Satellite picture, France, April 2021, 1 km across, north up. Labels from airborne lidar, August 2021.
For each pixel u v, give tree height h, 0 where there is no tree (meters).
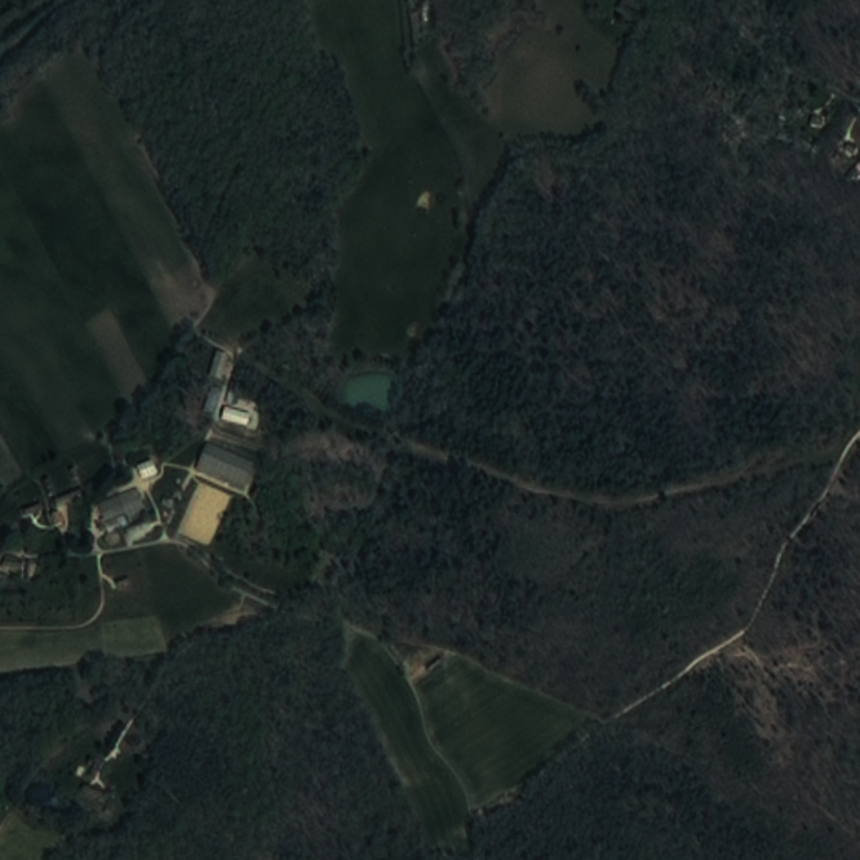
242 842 25
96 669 24
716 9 19
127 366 0
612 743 17
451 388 16
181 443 20
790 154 17
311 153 23
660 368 19
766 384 12
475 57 11
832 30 14
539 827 23
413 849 23
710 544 11
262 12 20
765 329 14
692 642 11
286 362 19
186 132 23
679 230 12
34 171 0
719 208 14
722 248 11
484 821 19
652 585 10
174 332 0
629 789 21
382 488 14
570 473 25
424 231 0
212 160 20
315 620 21
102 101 0
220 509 0
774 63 19
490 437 18
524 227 21
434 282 0
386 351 0
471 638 10
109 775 12
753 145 23
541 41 0
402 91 0
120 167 0
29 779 19
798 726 24
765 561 9
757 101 18
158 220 0
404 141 0
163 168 13
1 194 0
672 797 13
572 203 19
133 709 22
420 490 11
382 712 0
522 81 0
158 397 22
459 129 0
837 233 21
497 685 0
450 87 18
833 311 18
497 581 10
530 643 11
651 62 20
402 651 0
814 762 20
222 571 19
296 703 22
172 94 19
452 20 16
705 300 11
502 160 0
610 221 20
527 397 9
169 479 0
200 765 23
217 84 18
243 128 22
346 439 0
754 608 11
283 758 20
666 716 7
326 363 10
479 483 15
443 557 11
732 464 23
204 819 19
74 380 0
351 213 0
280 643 20
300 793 19
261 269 0
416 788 0
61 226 0
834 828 10
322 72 21
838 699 11
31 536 18
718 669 8
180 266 0
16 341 0
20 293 0
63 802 8
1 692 20
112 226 0
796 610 10
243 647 24
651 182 19
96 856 19
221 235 25
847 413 15
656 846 21
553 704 0
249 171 23
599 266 15
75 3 16
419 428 14
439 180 0
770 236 16
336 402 12
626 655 11
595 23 0
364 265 0
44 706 27
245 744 30
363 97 0
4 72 18
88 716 26
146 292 0
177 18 16
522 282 18
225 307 0
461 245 0
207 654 20
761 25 20
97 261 0
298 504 21
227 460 0
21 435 0
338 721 19
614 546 9
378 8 0
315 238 18
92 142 0
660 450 24
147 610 0
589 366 15
